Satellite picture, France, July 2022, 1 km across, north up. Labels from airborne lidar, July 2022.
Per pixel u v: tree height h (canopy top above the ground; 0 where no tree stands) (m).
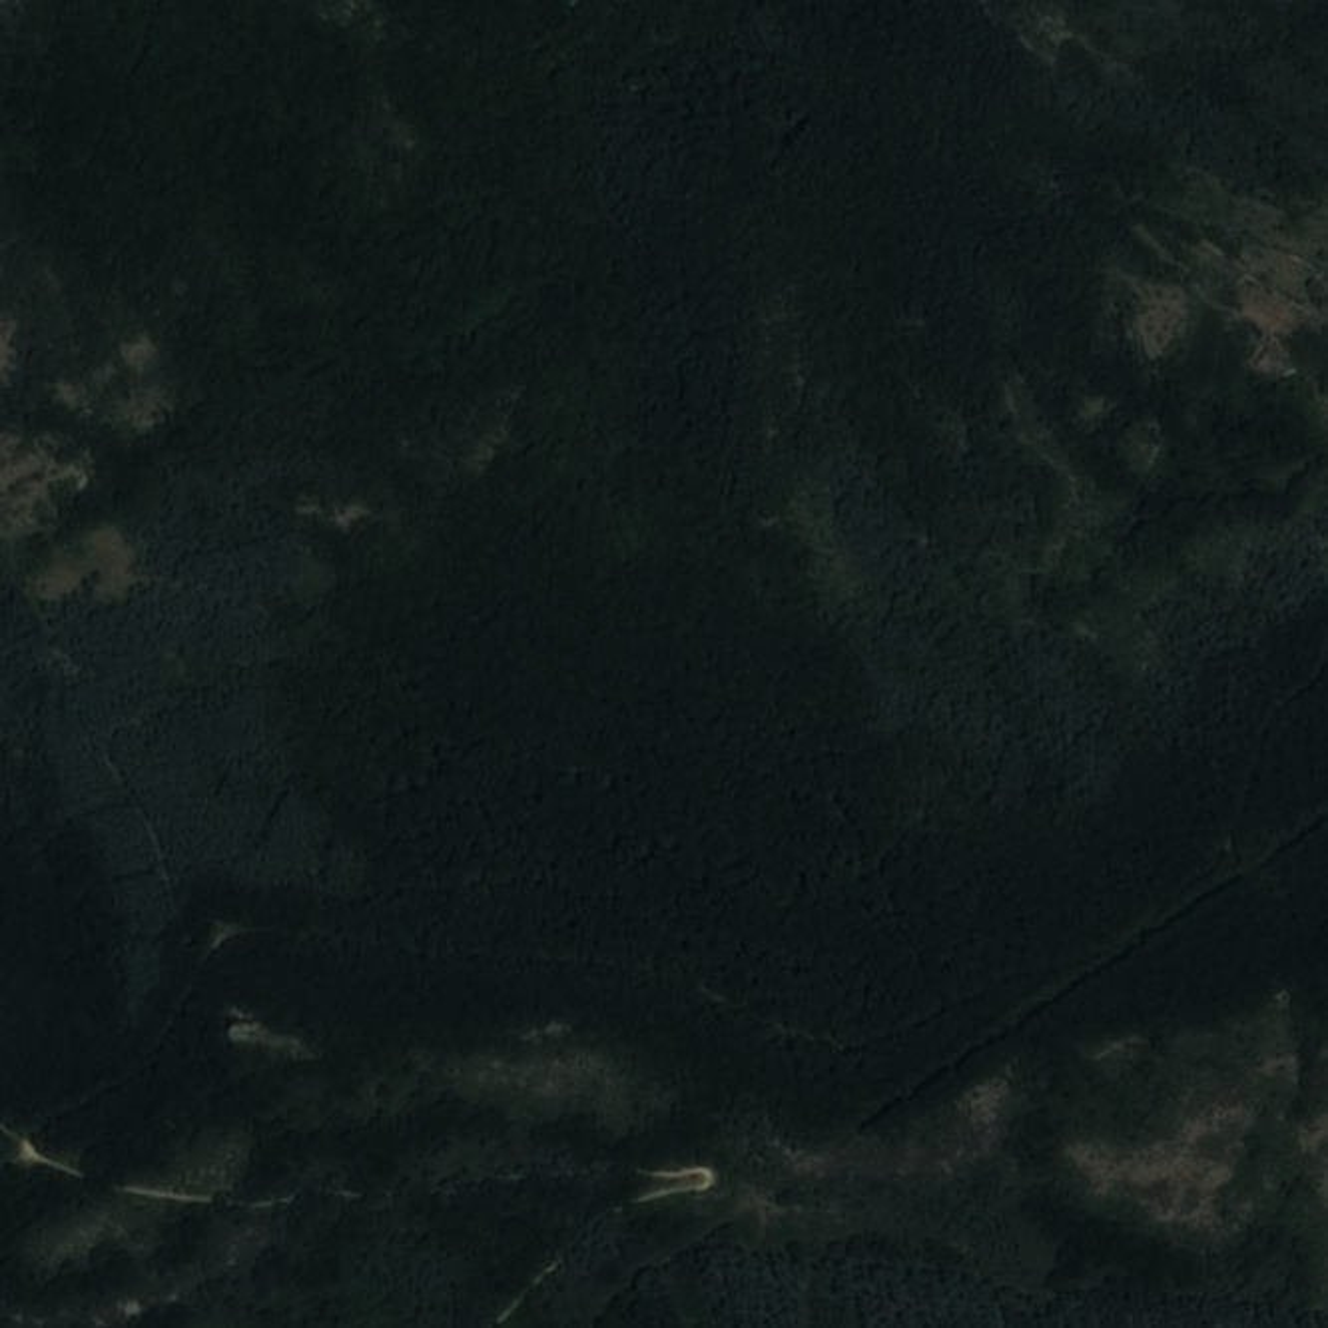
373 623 21
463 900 21
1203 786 12
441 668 20
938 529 15
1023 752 14
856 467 8
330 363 13
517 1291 12
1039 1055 10
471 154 7
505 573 14
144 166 11
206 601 10
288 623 13
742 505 10
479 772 19
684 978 14
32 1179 9
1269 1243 13
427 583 20
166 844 12
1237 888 14
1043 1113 11
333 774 13
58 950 21
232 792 12
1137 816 15
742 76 24
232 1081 12
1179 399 6
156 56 14
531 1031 7
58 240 11
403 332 16
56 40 7
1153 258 5
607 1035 12
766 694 20
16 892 22
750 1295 22
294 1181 14
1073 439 13
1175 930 16
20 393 10
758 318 10
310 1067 11
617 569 9
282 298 7
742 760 22
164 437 8
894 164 20
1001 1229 10
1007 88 13
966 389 13
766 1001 27
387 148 8
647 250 13
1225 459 7
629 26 18
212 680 7
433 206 13
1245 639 7
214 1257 8
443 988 21
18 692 8
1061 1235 16
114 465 14
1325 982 8
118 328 6
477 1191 19
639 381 13
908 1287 22
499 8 8
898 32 21
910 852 13
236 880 16
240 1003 10
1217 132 11
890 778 10
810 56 11
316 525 8
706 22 20
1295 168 9
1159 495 12
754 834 26
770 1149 7
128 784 11
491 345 13
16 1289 12
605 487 8
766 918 27
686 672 19
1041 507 11
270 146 15
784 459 15
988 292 14
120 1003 17
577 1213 10
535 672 12
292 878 17
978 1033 16
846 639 10
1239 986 17
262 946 15
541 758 14
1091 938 17
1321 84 7
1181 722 7
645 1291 18
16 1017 20
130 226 10
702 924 26
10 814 11
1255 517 9
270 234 10
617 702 20
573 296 18
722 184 13
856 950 28
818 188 18
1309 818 7
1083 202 13
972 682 6
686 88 24
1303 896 13
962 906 15
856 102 14
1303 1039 9
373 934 10
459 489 9
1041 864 16
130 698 10
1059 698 13
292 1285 8
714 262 13
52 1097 17
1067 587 11
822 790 23
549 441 9
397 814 22
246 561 13
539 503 16
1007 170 11
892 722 12
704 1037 22
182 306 11
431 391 16
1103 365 14
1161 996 17
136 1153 13
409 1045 9
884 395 17
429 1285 15
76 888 16
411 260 12
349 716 22
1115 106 9
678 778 23
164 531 8
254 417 8
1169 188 5
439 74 16
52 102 10
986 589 11
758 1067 22
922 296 14
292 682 12
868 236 16
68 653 8
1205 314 0
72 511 10
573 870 22
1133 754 14
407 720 28
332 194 13
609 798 18
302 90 13
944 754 19
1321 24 11
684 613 19
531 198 16
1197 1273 17
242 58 7
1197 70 6
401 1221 10
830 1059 21
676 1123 15
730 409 14
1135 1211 7
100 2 13
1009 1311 21
